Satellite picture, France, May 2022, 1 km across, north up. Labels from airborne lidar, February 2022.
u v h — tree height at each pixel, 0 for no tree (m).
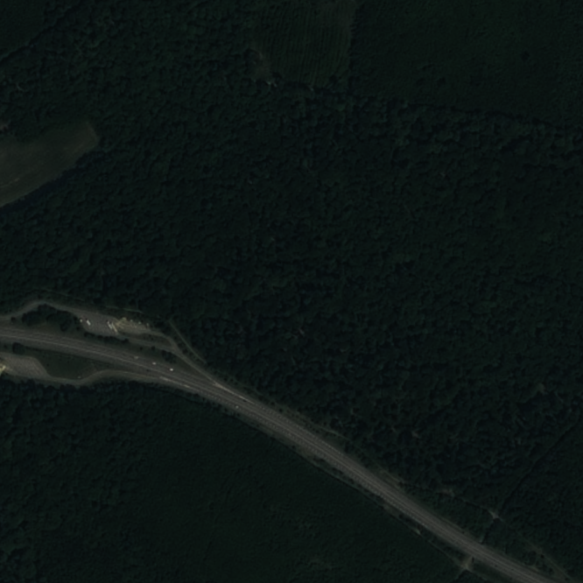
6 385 26
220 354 24
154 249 28
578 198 27
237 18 31
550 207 28
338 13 0
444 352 25
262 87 21
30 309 0
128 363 0
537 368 28
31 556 28
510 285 29
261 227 30
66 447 20
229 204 27
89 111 23
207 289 28
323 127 28
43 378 0
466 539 0
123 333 0
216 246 30
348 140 27
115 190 24
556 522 20
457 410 30
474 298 26
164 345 0
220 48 27
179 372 0
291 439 0
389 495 0
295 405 27
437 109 25
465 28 9
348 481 9
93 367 0
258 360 26
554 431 23
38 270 25
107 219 24
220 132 24
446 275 29
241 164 27
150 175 24
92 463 24
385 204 21
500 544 7
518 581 0
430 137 29
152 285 27
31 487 23
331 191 26
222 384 0
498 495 20
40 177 0
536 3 12
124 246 29
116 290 28
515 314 25
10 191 0
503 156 30
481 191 27
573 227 27
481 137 29
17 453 27
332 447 0
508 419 31
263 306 30
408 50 13
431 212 25
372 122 17
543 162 31
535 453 22
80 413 27
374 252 22
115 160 21
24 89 24
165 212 24
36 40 19
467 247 26
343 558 8
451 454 29
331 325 29
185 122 24
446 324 25
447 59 14
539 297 26
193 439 17
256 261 27
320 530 7
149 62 25
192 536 8
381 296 24
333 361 33
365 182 24
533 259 24
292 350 29
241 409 0
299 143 28
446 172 28
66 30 26
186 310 28
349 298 28
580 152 31
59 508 23
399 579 7
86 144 0
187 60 21
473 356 25
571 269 27
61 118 24
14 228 23
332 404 28
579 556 20
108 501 23
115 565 20
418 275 26
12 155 0
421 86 28
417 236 22
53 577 16
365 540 7
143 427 24
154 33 23
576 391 26
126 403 22
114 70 27
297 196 26
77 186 25
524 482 18
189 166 24
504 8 12
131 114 24
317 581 6
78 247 28
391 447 24
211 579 8
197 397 9
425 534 13
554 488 23
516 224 25
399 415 19
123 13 27
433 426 34
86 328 0
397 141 29
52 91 25
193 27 24
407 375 31
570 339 23
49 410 31
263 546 9
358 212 21
